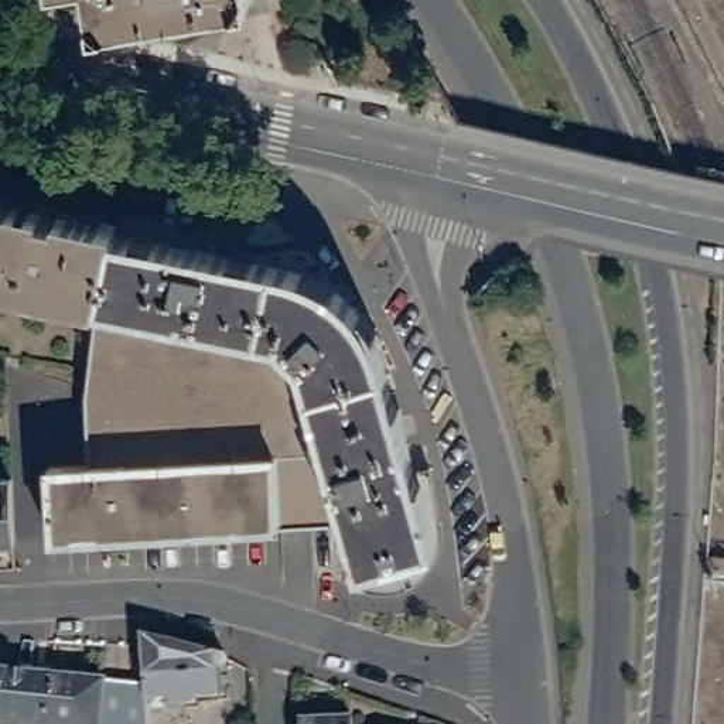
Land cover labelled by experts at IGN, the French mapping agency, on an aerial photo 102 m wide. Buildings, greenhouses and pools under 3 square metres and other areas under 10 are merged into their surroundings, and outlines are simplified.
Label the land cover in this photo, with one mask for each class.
<instances>
[{"label":"impervious surface","instance_id":"1","mask_svg":"<svg viewBox=\"0 0 724 724\"><path fill-rule=\"evenodd\" d=\"M249 14L238 11L232 28H209L204 23V31L198 37L130 31L124 37L127 51H107L102 57L79 54V28L71 11L51 14L57 34L48 51V62L40 68L42 91L91 99L96 93H105L107 88H116L124 93L127 102H144L153 119L173 116L181 127L198 130L201 136H206L209 119L221 116L226 119L221 141H243L255 150L260 147V156L269 164L283 167L291 178V184L280 189V209L252 223L187 215L170 204L167 192L127 184H119L113 195L99 192L93 184L65 195L76 209L105 215V223L110 218L130 215V221L144 229L189 238L198 243H243L252 252L286 257L294 263H305L317 272H328L365 311L376 314L385 362L399 385L407 410V447L410 455H416L421 464L424 486H433L438 523V551L433 568L419 583H402L390 591L365 594H348L345 588V571L351 566L339 529H328L325 535L314 537L308 529L280 526V535L272 543L189 546L181 549L178 566H167L158 549L45 554L40 478L48 472H71L85 458L82 407L68 399L71 376H20V359L6 356L3 376L11 402L8 424L0 419V481H17V551L14 557H8V551H0V636L14 642L17 634H31L28 648L85 650L91 662L105 667L130 665L127 645L139 639V631L223 650L235 662V667L218 670V693L198 699L187 696L173 701L153 696L150 701H144V724H226L223 713L235 704L252 707L257 724H297L303 713H328L345 707L339 699L325 693L328 684H339L342 679L362 699L402 710H430L441 718H450V724H625L628 682L619 673V665L628 662L631 645L634 588L628 585L625 574L631 571V520L636 515L628 509L631 486L625 481L622 438L631 436L622 419L625 407L617 404L611 365L602 342V325L583 269V252H591L597 260L608 255L639 257V283L648 291V308L656 339L653 354L662 416V515L656 529L662 540L656 549L659 617L653 690H639L642 699L650 696V724H693L701 588L707 574L699 568V543H707V526H713L707 509L716 441V359H704V311L710 277L716 274L718 283H724V150L710 147L707 141L673 144V150L662 153L656 141H648L650 133L636 102V93L631 91L605 40V31L594 20V11L585 0H529L585 107V122H568L563 130H554L549 119L537 116L515 107L509 88L495 71L492 59L486 57L472 25L461 14L464 0H359L368 14H385L387 20L407 25L410 34L424 40L427 62L433 65L441 85L436 91H427V105L419 113L410 110L396 91L354 85L337 82L334 71L325 62L314 65L305 76L288 74L283 68V59L277 54V0H246ZM532 257V269L537 272L543 288H549L543 320V325L549 328V348L563 370V393L568 402L571 438L580 472L585 532L580 617L577 650V684L571 690V716L566 721L560 718L557 650V619L537 492L523 461L526 447L518 433L512 407L501 393V376L489 351L486 331L481 322L467 325L464 320V308H469V294H478L501 266L526 263ZM475 585H492V602L484 628L464 645L427 648L376 636L356 628L359 614H410L450 619L464 631L472 622V617L464 608L469 605V591ZM37 184L25 175V170L0 164V189L28 195Z\"/></svg>","mask_w":724,"mask_h":724},{"label":"building","instance_id":"2","mask_svg":"<svg viewBox=\"0 0 724 724\"><path fill-rule=\"evenodd\" d=\"M42 14H51L71 11L79 28V54L102 57L107 51H127L124 37L130 31L198 37L204 31V23L209 28H232L238 11L249 14L246 0H34ZM0 314H6L8 325L68 320L76 331H91L82 407L85 458L71 472H48L40 478L45 554L158 549L167 566H178L181 549L189 546L272 543L280 535V526L308 529L314 537L325 535L328 529H339L351 566L345 571V588L348 594H365L390 591L402 583H419L433 568L438 551V523L433 486H424L421 464L416 455H410L407 447V410L399 385L385 362L376 314L365 311L328 272H317L305 263H294L286 257L252 252L243 243H198L189 238L144 229L130 221V215L110 218L105 223V215L76 209L65 195H45L37 184L28 195L0 189ZM17 481H0V551H8V557H14L17 551ZM31 634H17L14 642L0 636V724H144V701H150L153 696L173 701L187 696L198 699L218 693V670L235 667V662L223 650L139 631V639L127 645L130 665L105 667L91 662L85 650L28 648ZM297 724H348L345 707L328 713H303Z\"/></svg>","mask_w":724,"mask_h":724},{"label":"herbaceous vegetation","instance_id":"3","mask_svg":"<svg viewBox=\"0 0 724 724\"><path fill-rule=\"evenodd\" d=\"M461 14L472 25L486 57L492 59L495 71L509 88L515 107L537 116L546 107V102H557L574 122H585V107L529 0H464ZM399 54L413 68L427 62L424 40L410 34V42ZM396 91L399 85L390 76V65L376 57V48H365V65L354 85ZM639 257L608 255L597 260L591 252H583V269L602 325V342L611 365L617 404L625 407H636L648 421L645 436H631L622 438L625 481L631 486L628 509L636 515L631 520V571L625 574L628 585L634 588L631 645L628 662L619 665V673L628 682L625 724H650V696L642 699L639 690H653L659 617L656 549L662 540L656 529L662 515V416L653 354L656 339L648 308V291L639 283ZM617 328L639 334L636 354L625 356L614 351ZM713 526H707V543L713 546L716 540H724V283H718L716 359V441L707 509ZM464 320L467 325L481 322L486 331L489 351L501 376V393L512 407L518 433L526 447L523 461L537 492L557 619L574 622L580 617L585 532L580 472L571 438L568 402L563 393V370L549 348V328L543 325V320L540 314L518 317L509 311H489L478 303L475 308H464ZM0 345L8 348L6 356L20 359V351H31L51 354L57 359H74L76 331L68 320L8 325L6 314H0ZM492 602V585H475L469 591V605L464 608L472 617V622L464 631L450 619L410 614H359L356 628L376 636L427 648L464 645L484 628ZM693 724H724V588H701Z\"/></svg>","mask_w":724,"mask_h":724},{"label":"deciduous trees","instance_id":"4","mask_svg":"<svg viewBox=\"0 0 724 724\"><path fill-rule=\"evenodd\" d=\"M57 34L51 14H42L34 0H0V164L25 170V175L37 184L45 195H65L93 184L99 192L113 195L119 184H127L167 192L170 204L187 215L252 223L280 209V189L291 184V178L283 167L269 164L260 156V147L255 150L243 141H221L226 119L221 116L209 119L206 136H201L198 130L181 127L173 116L153 119L144 102H127L124 93L116 88H107L105 93H96L91 99L42 91L40 68L48 62V51ZM277 54L283 59V68L288 74L305 76L314 65L325 62L334 71L337 82L354 85L365 65V48H376V57L390 65V76L399 85L396 91L410 110L419 113L427 105V91H436L441 85L433 65L427 62L413 68L399 54L410 42V34L407 25L387 20L385 14H368L359 0H277ZM537 116L549 119L554 130H563L568 122H574L557 102H546V107ZM549 288H543L537 272L532 269V257L526 263L501 266L478 294H469V308H475L478 303L489 311H509L518 317L540 314L543 320ZM614 351L625 356L636 354L639 334L617 328ZM8 348L0 345V419L8 424L11 402L3 376L6 356ZM622 419L631 436H645L648 421L636 407H625ZM557 650H577L580 617L574 622L557 619ZM226 724H257L252 707L235 704L223 713Z\"/></svg>","mask_w":724,"mask_h":724},{"label":"pervious surface","instance_id":"5","mask_svg":"<svg viewBox=\"0 0 724 724\"><path fill-rule=\"evenodd\" d=\"M605 14L617 25L622 48L628 51V59L642 76L662 139L673 144L707 141L710 147L724 150V0H608ZM699 568L707 574L701 588H724V540H716L713 546L707 543H699Z\"/></svg>","mask_w":724,"mask_h":724},{"label":"brushwood","instance_id":"6","mask_svg":"<svg viewBox=\"0 0 724 724\"><path fill-rule=\"evenodd\" d=\"M594 11V20L605 31V40L631 91L636 93V102L650 133L648 141H656L662 153L673 150V144L662 139L642 76L628 59V51L622 48L617 25L605 14L608 0H585ZM718 283L716 274L710 277L704 311V359H716ZM91 331H76L74 359H57L51 354L31 351H20V376H71L68 399L82 407ZM577 684V650H557L560 718L566 721L571 716V690ZM325 693L339 699L345 707L348 724H450V718H441L430 710H402L362 699L342 679L339 684H328Z\"/></svg>","mask_w":724,"mask_h":724}]
</instances>
